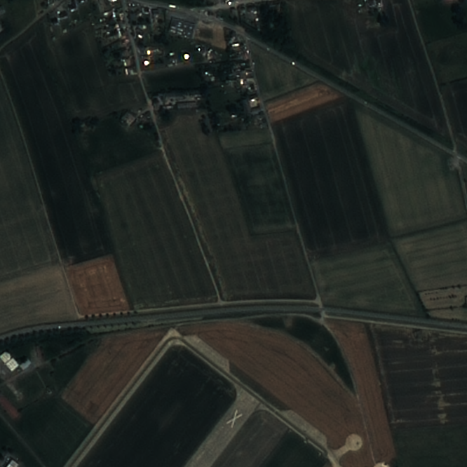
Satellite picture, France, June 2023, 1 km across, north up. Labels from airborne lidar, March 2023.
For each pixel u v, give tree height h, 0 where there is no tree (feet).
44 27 0
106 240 0
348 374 0
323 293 0
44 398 0
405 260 0
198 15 0
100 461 0
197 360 0
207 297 0
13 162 0
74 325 0
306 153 0
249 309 0
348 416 0
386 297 0
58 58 0
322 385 0
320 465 0
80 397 0
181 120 0
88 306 0
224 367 0
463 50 0
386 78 0
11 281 0
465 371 0
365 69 0
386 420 0
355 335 0
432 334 0
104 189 0
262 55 0
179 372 0
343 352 0
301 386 0
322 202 0
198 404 0
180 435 0
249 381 0
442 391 0
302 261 0
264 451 0
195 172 0
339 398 0
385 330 0
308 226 0
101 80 0
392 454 0
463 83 0
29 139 0
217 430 0
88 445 0
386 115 0
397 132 0
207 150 0
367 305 0
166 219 0
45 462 0
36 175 0
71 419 0
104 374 0
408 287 0
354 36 0
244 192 0
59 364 0
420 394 0
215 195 0
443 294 0
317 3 0
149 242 0
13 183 0
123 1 0
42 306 0
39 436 0
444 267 0
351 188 0
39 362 0
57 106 0
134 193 0
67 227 0
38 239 0
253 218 0
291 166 0
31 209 0
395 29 0
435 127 0
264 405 0
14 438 0
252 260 0
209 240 0
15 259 0
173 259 0
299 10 0
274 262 0
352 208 0
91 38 0
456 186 0
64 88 0
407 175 0
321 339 0
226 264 0
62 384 0
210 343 0
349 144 0
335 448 0
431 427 0
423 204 0
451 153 0
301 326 0
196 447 0
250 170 0
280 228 0
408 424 0
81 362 0
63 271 0
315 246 0
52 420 0
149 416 0
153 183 0
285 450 0
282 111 0
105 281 0
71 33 0
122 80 0
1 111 0
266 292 0
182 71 0
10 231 0
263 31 19
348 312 0
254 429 0
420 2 0
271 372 0
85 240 0
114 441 0
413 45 0
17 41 0
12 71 0
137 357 0
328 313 0
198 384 0
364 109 0
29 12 0
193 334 0
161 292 0
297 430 0
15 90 0
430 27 0
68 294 0
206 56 0
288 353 0
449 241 0
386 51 0
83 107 0
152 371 0
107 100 0
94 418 0
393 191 0
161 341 0
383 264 0
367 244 0
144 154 0
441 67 0
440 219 0
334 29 0
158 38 38
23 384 0
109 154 0
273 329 0
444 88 0
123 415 0
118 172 0
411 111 0
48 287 0
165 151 0
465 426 0
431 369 0
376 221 0
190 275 0
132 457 0
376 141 0
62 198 0
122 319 0
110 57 41
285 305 0
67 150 0
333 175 0
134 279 0
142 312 0
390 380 0
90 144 0
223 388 0
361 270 0
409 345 0
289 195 0
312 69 0
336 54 0
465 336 0
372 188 0
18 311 0
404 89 0
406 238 0
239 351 0
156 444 0
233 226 0
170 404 0
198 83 0
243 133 0
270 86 0
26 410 0
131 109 0
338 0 0
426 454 0
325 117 0
